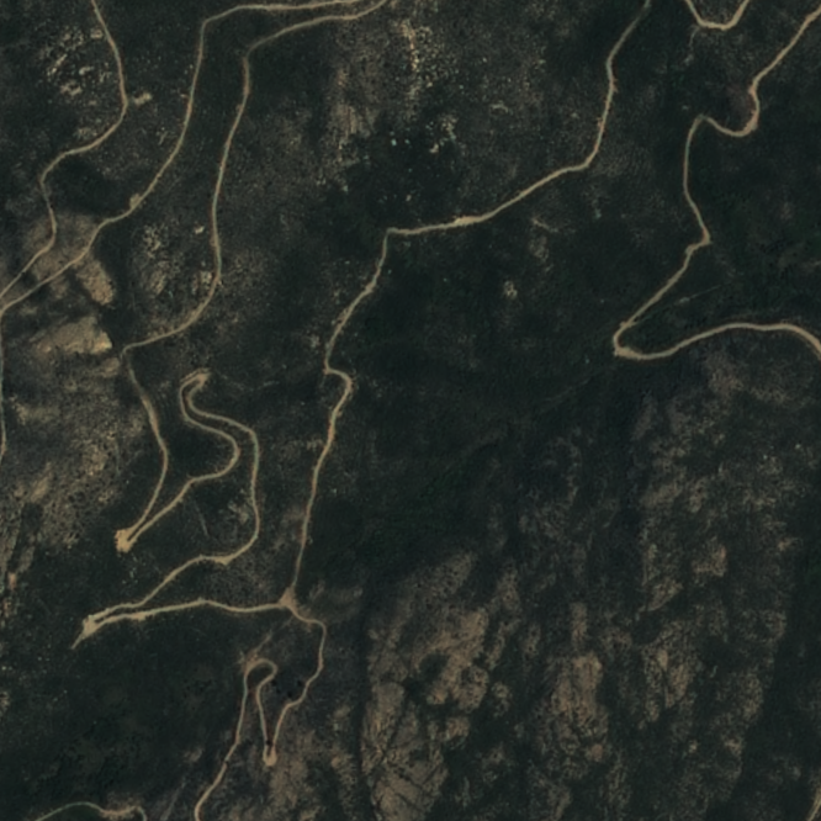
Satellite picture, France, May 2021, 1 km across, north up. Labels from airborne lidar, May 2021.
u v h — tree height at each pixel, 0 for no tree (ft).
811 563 27
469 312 20
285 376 21
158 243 0
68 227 0
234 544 0
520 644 0
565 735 0
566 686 0
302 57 47
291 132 0
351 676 0
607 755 0
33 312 0
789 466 0
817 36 0
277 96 0
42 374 0
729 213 28
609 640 0
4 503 0
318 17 0
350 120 0
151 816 0
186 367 0
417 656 0
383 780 0
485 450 19
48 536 0
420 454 20
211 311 0
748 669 0
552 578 0
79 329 0
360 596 0
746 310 70
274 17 0
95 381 0
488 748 0
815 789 0
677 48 20
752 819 0
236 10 0
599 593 0
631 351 0
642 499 0
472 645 0
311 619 0
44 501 0
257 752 0
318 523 0
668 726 0
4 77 0
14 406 0
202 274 0
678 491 0
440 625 0
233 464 0
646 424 0
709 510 0
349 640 0
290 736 0
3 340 0
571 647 0
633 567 0
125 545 0
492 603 0
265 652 0
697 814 0
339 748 0
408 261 43
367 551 17
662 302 20
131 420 0
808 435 0
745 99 0
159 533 0
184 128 0
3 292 0
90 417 0
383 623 0
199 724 0
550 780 0
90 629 0
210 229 0
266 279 0
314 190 0
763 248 18
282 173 0
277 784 0
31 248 0
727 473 0
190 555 0
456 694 0
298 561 0
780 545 0
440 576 0
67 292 0
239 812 0
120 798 0
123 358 0
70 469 0
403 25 0
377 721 0
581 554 0
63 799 24
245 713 0
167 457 0
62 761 27
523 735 0
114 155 0
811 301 20
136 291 0
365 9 0
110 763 19
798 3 0
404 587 0
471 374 19
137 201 0
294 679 0
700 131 22
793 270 20
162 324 0
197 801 0
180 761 0
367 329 25
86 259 0
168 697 0
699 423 0
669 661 0
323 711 0
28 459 0
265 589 0
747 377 0
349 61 0
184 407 0
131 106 0
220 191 0
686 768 0
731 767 0
